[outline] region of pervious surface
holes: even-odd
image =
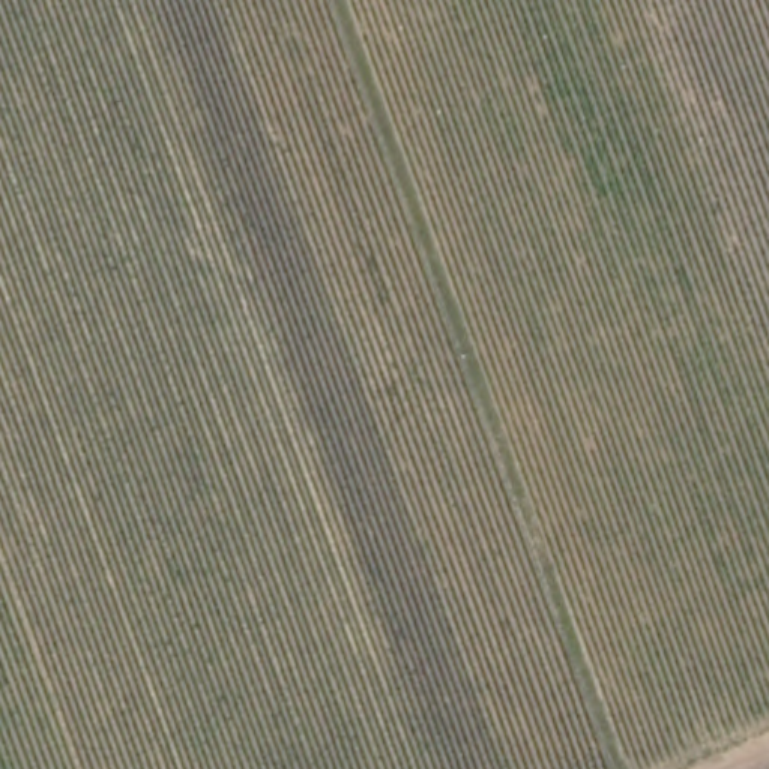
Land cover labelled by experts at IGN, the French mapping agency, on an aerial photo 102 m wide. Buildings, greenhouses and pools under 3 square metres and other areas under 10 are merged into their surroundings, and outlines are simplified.
[[[769,733],[751,736],[745,745],[706,763],[697,763],[691,769],[769,769]]]

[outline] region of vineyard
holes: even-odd
[[[706,763],[745,745],[751,736],[769,733],[769,0],[0,0],[0,769],[691,769],[697,763]]]

